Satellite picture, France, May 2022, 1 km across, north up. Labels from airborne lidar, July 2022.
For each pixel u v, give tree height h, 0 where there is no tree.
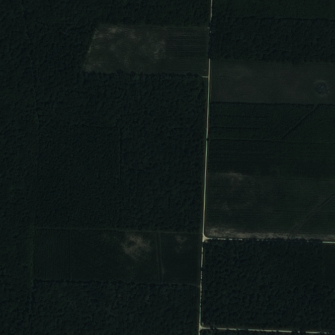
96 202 16
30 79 26
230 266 24
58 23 23
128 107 21
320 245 29
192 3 18
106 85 18
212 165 7
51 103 16
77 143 19
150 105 21
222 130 14
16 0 23
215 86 0
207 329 0
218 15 16
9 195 21
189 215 21
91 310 26
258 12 17
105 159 18
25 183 17
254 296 21
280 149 9
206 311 10
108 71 0
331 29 21
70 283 21
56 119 19
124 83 12
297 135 17
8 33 25
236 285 24
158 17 16
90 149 19
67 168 18
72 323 18
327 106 10
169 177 23
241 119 15
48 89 25
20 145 14
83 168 20
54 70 23
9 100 22
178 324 25
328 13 13
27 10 22
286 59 25
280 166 7
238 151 8
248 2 14
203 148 8
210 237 0
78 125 16
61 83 20
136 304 17
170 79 15
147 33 0
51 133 23
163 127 26
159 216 21
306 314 25
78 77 22
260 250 21
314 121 15
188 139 16
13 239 21
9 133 25
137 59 0
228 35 28
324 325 21
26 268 20
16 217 23
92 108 23
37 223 18
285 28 21
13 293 29
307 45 19
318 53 22
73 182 19
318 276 28
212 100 0
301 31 22
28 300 17
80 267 5
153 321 21
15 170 21
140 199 24
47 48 19
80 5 22
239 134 14
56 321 17
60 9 20
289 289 10
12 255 23
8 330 24
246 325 25
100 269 7
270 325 24
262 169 6
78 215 18
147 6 25
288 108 15
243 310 19
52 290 17
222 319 19
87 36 21
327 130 16
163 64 0
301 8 13
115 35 0
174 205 17
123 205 14
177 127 7
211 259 20
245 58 13
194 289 19
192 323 24
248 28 20
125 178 21
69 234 7
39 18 24
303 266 29
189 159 22
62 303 17
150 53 0
